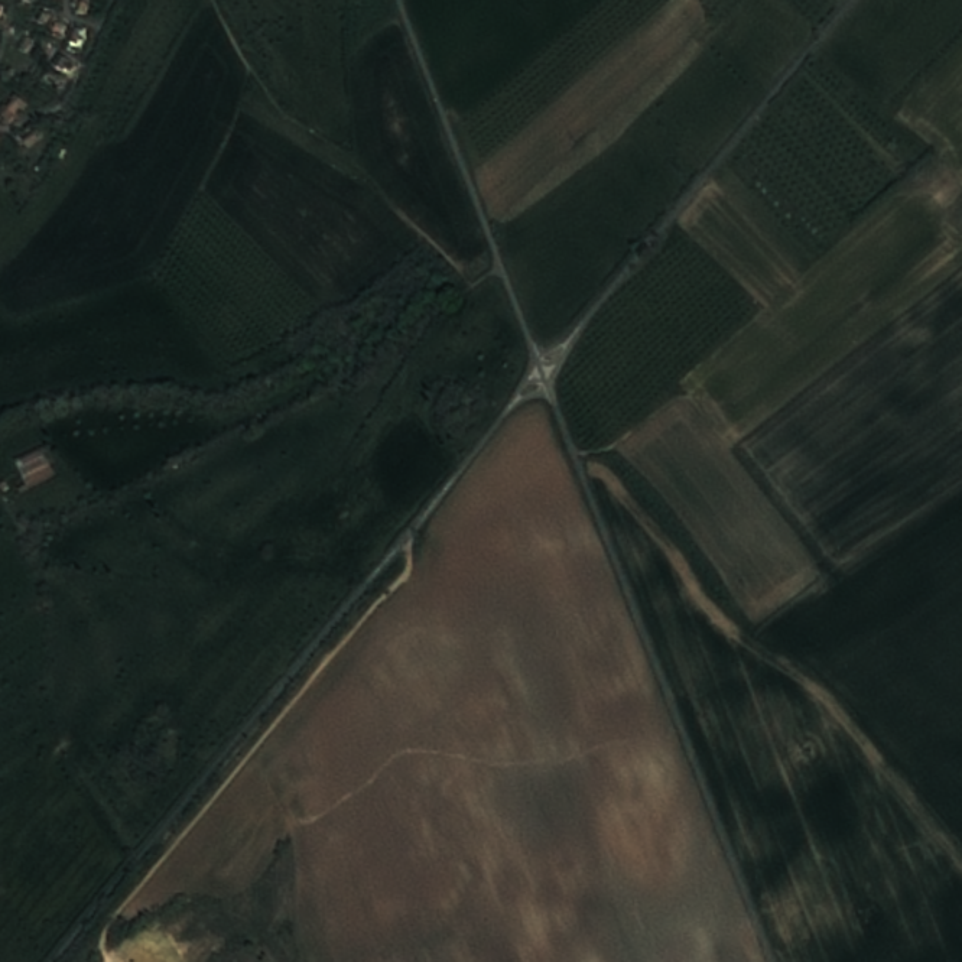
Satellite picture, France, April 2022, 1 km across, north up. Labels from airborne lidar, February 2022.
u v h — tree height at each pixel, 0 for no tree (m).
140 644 0
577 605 0
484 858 0
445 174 0
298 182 0
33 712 0
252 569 0
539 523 0
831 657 0
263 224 0
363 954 0
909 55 0
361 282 0
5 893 0
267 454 0
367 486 0
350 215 0
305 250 0
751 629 0
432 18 0
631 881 0
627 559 0
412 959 0
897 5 0
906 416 0
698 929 0
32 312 0
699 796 0
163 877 0
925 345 0
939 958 0
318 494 0
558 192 0
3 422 18
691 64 0
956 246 0
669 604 0
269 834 0
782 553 0
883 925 0
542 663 0
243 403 15
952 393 0
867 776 0
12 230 0
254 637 0
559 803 0
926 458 0
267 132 0
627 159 0
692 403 0
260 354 5
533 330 0
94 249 0
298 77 0
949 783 0
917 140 0
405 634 0
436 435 0
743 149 0
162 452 0
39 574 7
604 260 0
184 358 0
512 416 0
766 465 0
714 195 0
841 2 0
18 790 0
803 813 0
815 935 0
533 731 0
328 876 0
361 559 0
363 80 0
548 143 0
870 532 0
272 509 0
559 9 0
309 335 19
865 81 0
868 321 0
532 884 0
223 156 0
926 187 0
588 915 0
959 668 0
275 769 0
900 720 0
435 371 0
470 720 0
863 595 0
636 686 0
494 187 0
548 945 0
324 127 0
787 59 0
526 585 0
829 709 0
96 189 0
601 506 0
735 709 0
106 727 0
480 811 0
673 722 0
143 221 0
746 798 0
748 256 0
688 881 0
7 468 0
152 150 0
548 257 0
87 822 0
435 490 0
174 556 0
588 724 0
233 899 0
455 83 0
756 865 0
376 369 11
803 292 0
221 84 0
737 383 0
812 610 0
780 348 0
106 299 0
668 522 8
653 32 0
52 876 0
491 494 0
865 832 0
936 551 0
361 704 0
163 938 0
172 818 0
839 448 0
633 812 0
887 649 0
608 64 0
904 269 0
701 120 0
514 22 0
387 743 0
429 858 0
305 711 0
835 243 0
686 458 0
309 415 0
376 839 0
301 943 0
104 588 0
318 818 0
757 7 0
